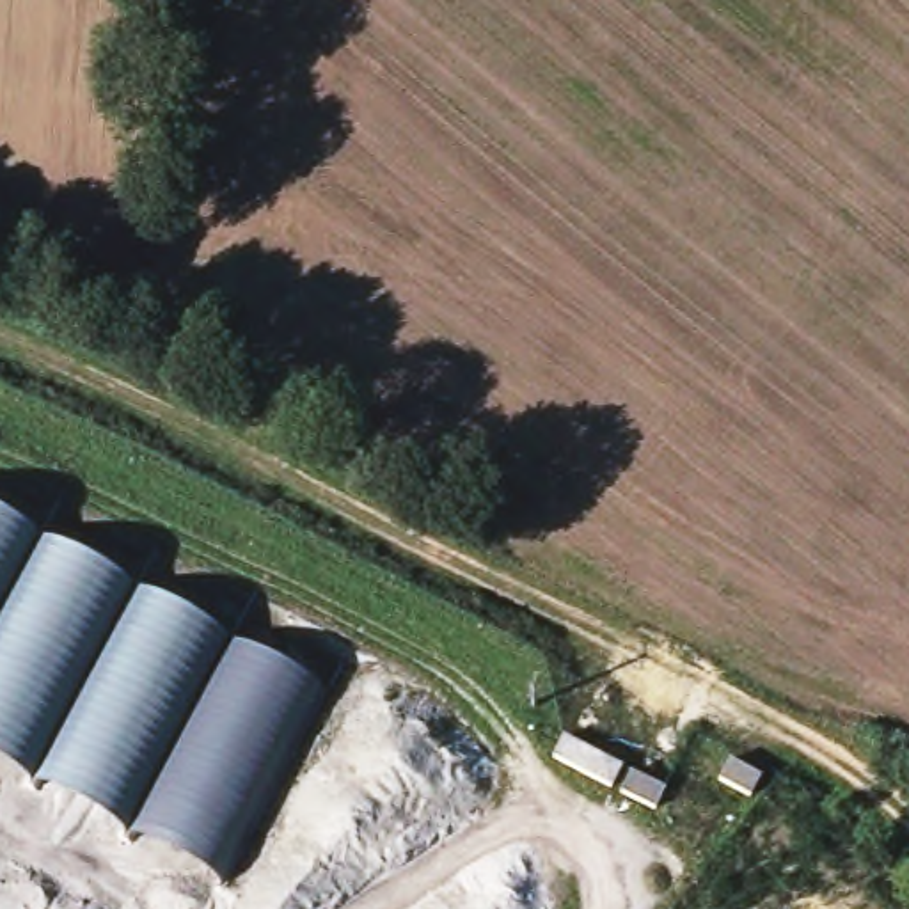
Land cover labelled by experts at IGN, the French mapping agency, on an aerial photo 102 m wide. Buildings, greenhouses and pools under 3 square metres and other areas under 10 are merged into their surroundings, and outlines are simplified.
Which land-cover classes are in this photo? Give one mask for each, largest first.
<instances>
[{"label":"agricultural land","instance_id":"1","mask_svg":"<svg viewBox=\"0 0 909 909\"><path fill-rule=\"evenodd\" d=\"M178 28L202 43V67L185 82V99L199 110L209 107L202 128H209L206 149L213 167L199 202V220L170 241H149L124 217L114 188L103 185L117 174L121 153L142 138V128H117L114 121H107L92 96V32L96 25L117 21L114 0H0V209H11L18 220L21 213H36L43 220L46 234L67 259V273L60 281L67 291L96 277H114L128 288H135V281H149L153 295L167 305H178L181 312L192 309L195 298L213 291L220 323L231 330V337L241 341V352H266L270 359L281 355V362L291 373H316L320 383L359 415L362 447H369L376 437H483L501 472L504 501L486 518L479 540L483 547L511 540L547 536L554 547L593 561L604 575L636 586L639 597L682 614L700 639L749 643L771 664H785L799 675L831 678L838 685L856 689L884 714L863 717V724H873L881 731H902L909 739V0H167Z\"/></svg>","mask_w":909,"mask_h":909},{"label":"pervious surface","instance_id":"2","mask_svg":"<svg viewBox=\"0 0 909 909\"><path fill-rule=\"evenodd\" d=\"M0 501L18 508L43 536L60 533L99 550L117 568H124L138 586H160L192 600L234 639H256L263 646H273L320 678L312 703L298 721V731L312 739L305 771L288 792L284 810L263 842V852L234 884H224V877L206 859L192 856L188 849L167 838L131 842L124 824L103 802L82 792H67L60 785L36 788L32 774L11 753L0 749V909H671L685 888L682 866L675 849L653 842L650 834L628 824V810L636 802L632 795H621V802L597 806L565 788L536 760V749L529 735H522V728L504 742L508 756L494 763L490 749L469 728H458L455 717H440V703L430 696V685L408 675L405 668L366 650L355 653L352 639L337 632L302 628L305 614L277 604L270 607L263 586L241 575L174 572L178 536L163 526L85 522V483L75 472L0 469ZM607 668L625 685L628 703L646 707L650 714H675L671 728L657 735L664 756L700 717L724 728H742L746 735H760L767 746H788L852 788H870L873 771L863 756H856L845 746L724 682L710 660L689 664L671 646H650L625 636L621 643H614ZM788 909H877L873 898L856 891L849 898L802 895L788 902Z\"/></svg>","mask_w":909,"mask_h":909},{"label":"herbaceous vegetation","instance_id":"3","mask_svg":"<svg viewBox=\"0 0 909 909\"><path fill-rule=\"evenodd\" d=\"M0 355L25 362L28 369L53 373L85 391L110 394L138 415L160 423L153 437L142 444L135 437H121L107 426H96L89 415H75L53 401H43L0 380V469L75 472L85 483V522L163 526L178 536L174 572L241 575L263 586L270 607L277 604L305 614L302 628L337 632L352 639L355 653L366 650L405 668L408 675L430 685V696L440 703V717H455L458 728H469L490 749L494 763L508 756L504 742L522 728V735H529L536 749V760L565 788L597 806L621 802V795L636 771L650 774L664 785V792L653 810L636 802L628 810V824L650 834L653 842L675 849L682 866L689 873H700V866L731 838L735 824H724V799L731 792L717 781L721 763L731 756L742 760L749 746H767L760 735H746L742 728H724L700 717L664 756L657 735L671 728L675 714H650L646 707L628 703L625 685L607 668L614 643H621L625 636L650 646H671L689 664L710 660L724 682L845 746L852 742V731L863 724V717L884 714L856 689L838 685L831 678L799 675L785 664H771L749 643L700 639L682 614L639 597L636 586L604 575L593 561L554 547L547 536L511 540L522 565L515 572H504L455 543L401 526L391 511L376 508L373 501L344 494L327 479H316L305 465L288 462L284 455H277L281 430H273L266 419L245 430H231L220 419L199 415L185 401L163 405L160 394L146 391L142 383L117 376L107 366L85 362L67 348H50L21 330H0ZM561 735H572L614 756L618 771L611 785H600L579 774L575 767L561 763L554 753Z\"/></svg>","mask_w":909,"mask_h":909},{"label":"brushwood","instance_id":"4","mask_svg":"<svg viewBox=\"0 0 909 909\"><path fill-rule=\"evenodd\" d=\"M67 273V259L46 234L43 220L36 213H21L18 220L11 209H0V330H21L50 348H67L85 362L107 366L117 376L142 383L146 391L160 394L163 405L185 401L199 415L220 419L231 430H245L266 419L273 430H281L277 455H284L288 462L305 465L316 479H327L344 494L373 501L376 508L391 511L401 526L455 543L504 572H515L522 565L511 540L483 547L479 540L486 518L504 501L501 472L483 437H376L369 447H362L359 415L320 383L316 373H291L281 362V355L270 359L266 352H241V341L231 337V330L220 323L213 291L195 298L192 309L181 312L178 305H167L153 295L149 281H135V288H128L114 277H96L67 291L60 281ZM0 380L43 401H53L75 415H89L96 426H107L121 437H135L142 444L153 437L160 423L138 415L110 394L85 391L53 373L28 369L25 362L0 355ZM856 756H863L873 771L870 788H852L788 746H749L742 760L756 767L760 778L753 785V795L731 792L724 799V824H735L731 838L700 866V873H689L682 866L685 888L671 909H788V902L802 895L849 898L856 891L873 898L877 909H909V739L902 731H881L873 724H863L852 731V742L845 746Z\"/></svg>","mask_w":909,"mask_h":909},{"label":"building","instance_id":"5","mask_svg":"<svg viewBox=\"0 0 909 909\"><path fill-rule=\"evenodd\" d=\"M320 678L273 646H263L256 639H234L192 600L160 586H138L124 568H117L99 550L60 533L43 536L18 508L0 501V749L11 753L32 774L36 788L60 785L67 792H82L103 802L124 824L131 842L167 838L188 849L192 856L206 859L224 877V884H234L263 852V842L284 810L288 792L305 771L312 739L298 731V721L312 703ZM554 753L561 763L575 767L579 774L600 785H611L618 771L614 756L572 735H561ZM760 778L756 767L742 760L731 756L721 763L717 781L731 792L753 795V785ZM664 792V785L650 774L636 771L621 795H632L636 802L653 810Z\"/></svg>","mask_w":909,"mask_h":909},{"label":"deciduous trees","instance_id":"6","mask_svg":"<svg viewBox=\"0 0 909 909\"><path fill-rule=\"evenodd\" d=\"M117 21L96 25L92 32V96L107 121H114L117 128H142V138L121 153L117 174L103 185L114 188L124 217L149 241H170L199 220V202L213 167L206 149L209 128H202L209 107L199 110L185 99V82L202 67V43L178 28L167 0H114Z\"/></svg>","mask_w":909,"mask_h":909}]
</instances>
